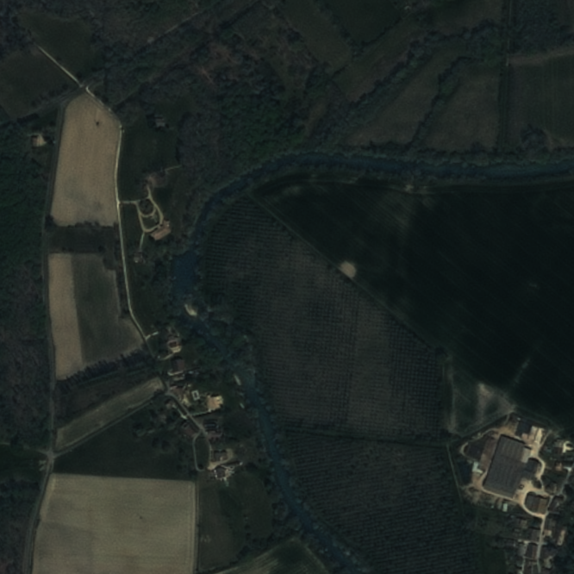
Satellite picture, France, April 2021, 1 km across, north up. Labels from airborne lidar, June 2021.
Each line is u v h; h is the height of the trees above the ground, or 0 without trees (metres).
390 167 0
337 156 0
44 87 0
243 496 0
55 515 0
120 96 22
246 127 23
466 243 0
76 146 0
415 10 9
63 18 17
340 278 7
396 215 0
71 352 0
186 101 0
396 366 9
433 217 0
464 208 0
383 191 0
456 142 0
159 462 0
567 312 0
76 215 0
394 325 10
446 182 9
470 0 0
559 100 0
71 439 0
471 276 0
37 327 20
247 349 19
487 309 0
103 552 0
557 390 0
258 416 22
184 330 24
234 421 0
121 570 0
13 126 13
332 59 0
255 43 8
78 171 0
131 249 14
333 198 0
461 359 0
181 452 10
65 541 0
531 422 0
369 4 0
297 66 11
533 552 0
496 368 0
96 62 0
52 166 0
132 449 0
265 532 0
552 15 12
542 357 0
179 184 0
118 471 0
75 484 0
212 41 8
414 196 0
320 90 24
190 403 0
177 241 19
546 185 0
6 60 21
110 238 0
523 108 0
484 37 17
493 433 0
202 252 7
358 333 9
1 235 26
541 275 0
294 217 0
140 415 0
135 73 19
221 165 8
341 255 0
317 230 0
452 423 0
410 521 11
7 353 17
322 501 8
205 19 18
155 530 0
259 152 23
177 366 0
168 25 13
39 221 16
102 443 0
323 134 13
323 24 0
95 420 0
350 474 13
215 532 0
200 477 14
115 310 0
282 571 0
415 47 12
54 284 0
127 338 0
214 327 23
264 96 20
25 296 12
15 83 0
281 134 23
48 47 0
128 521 0
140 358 7
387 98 14
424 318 0
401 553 11
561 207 0
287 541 0
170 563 0
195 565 0
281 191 0
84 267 0
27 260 16
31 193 20
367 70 0
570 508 12
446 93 11
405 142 0
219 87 15
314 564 0
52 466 0
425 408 14
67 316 0
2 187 25
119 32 19
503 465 0
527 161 20
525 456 0
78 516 0
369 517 10
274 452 0
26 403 12
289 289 6
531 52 22
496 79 0
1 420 12
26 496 21
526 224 0
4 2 13
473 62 7
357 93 0
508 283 0
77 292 0
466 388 0
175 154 0
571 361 0
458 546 7
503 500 0
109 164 0
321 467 9
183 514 0
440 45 13
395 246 0
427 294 0
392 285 0
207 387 13
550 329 0
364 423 9
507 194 0
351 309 9
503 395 0
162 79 11
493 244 0
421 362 11
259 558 0
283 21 12
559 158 11
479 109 0
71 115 0
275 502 13
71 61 0
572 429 0
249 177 14
